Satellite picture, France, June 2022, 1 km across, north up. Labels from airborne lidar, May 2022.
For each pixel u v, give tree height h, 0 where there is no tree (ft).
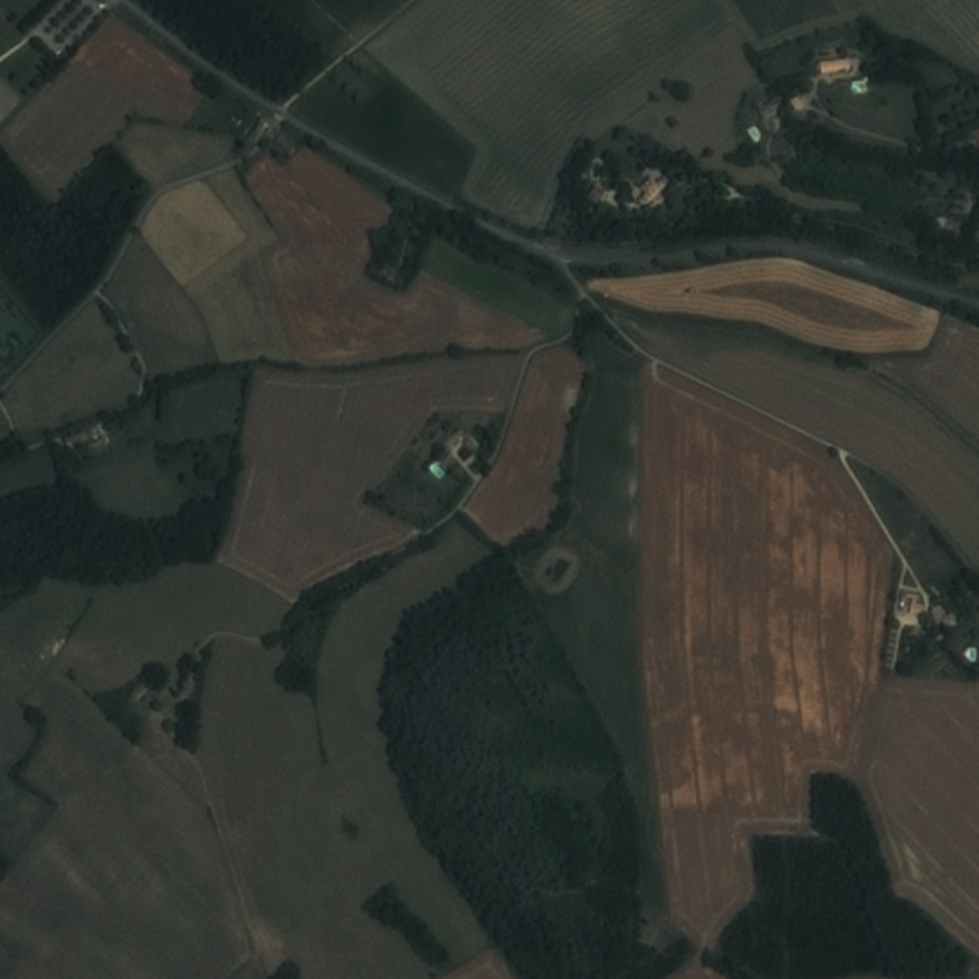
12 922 0
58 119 0
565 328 0
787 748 0
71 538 33
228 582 0
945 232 33
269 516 0
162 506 0
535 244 0
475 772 35
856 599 0
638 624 0
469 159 0
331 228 0
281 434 0
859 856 48
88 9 18
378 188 0
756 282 0
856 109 0
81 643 0
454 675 44
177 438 0
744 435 0
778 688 0
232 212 0
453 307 0
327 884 0
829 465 0
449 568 0
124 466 0
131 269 0
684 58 0
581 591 0
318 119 0
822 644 0
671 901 0
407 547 24
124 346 49
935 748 0
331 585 40
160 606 0
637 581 0
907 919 50
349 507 0
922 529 0
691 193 21
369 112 0
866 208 35
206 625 0
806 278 0
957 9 0
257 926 0
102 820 0
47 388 0
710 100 0
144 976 0
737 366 0
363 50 0
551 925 33
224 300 0
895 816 0
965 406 0
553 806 31
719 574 0
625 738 0
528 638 43
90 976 0
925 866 0
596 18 0
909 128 0
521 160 0
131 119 49
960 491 0
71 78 0
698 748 0
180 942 0
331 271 0
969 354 0
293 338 0
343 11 0
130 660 0
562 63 0
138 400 43
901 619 0
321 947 0
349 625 0
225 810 0
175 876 0
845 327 0
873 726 0
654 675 0
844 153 43
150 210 0
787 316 0
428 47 0
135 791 0
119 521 47
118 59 0
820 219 42
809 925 23
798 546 0
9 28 0
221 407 0
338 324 0
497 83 0
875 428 0
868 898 54
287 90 76
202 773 0
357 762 0
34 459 0
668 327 0
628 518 0
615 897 38
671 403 0
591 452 0
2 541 39
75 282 38
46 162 0
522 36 0
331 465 0
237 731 0
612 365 0
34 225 27
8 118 0
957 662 32
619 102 0
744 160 31
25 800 0
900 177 28
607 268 23
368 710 0
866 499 0
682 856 0
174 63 0
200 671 50
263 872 0
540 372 0
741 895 0
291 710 0
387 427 0
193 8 66
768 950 20
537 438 0
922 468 0
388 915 52
